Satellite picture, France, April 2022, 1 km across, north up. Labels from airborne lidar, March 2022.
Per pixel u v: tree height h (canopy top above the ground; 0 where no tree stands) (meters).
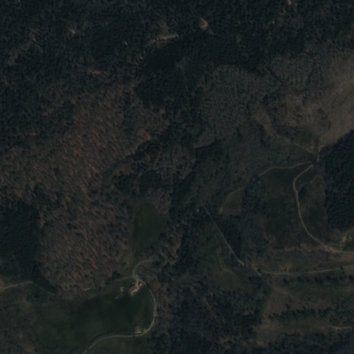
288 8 9
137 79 23
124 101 27
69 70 18
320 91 26
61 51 19
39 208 30
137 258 18
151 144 18
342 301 6
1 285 0
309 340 28
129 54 21
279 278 0
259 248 18
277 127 24
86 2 26
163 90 26
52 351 13
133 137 30
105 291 7
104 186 5
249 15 16
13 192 32
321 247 0
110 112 28
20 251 26
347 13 20
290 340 26
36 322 0
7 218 23
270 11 25
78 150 31
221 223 17
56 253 20
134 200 12
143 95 21
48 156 24
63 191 33
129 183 23
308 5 14
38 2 22
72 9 8
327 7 22
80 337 0
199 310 28
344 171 20
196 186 8
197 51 30
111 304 0
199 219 35
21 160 29
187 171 28
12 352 23
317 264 15
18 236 30
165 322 28
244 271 7
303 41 18
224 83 26
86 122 32
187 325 25
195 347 20
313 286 25
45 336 0
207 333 29
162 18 24
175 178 28
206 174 12
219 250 0
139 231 0
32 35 29
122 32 22
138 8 29
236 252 13
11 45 22
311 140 0
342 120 0
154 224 0
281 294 0
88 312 0
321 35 26
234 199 0
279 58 24
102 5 31
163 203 25
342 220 22
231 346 24
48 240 28
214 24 19
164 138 22
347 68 0
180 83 27
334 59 21
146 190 26
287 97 14
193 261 28
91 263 27
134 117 28
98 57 18
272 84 24
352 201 26
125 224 36
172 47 11
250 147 12
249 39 17
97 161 33
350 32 22
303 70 26
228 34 22
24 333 18
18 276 23
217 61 27
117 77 13
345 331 0
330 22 23
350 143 26
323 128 0
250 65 23
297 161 9
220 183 11
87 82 24
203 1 23
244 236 21
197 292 31
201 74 21
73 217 32
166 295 15
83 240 29
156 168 29
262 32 12
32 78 17
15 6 19
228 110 30
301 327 0
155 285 0
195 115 25
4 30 25
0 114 16
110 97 26
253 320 19
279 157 15
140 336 0
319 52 24
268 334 0
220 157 23
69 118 25
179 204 24
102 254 32
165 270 22
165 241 28
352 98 0
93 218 34
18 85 19
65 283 29
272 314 0
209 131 27
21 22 26
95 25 21
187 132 27
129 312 0
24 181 33
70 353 12
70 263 27
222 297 26
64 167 28
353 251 0
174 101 21
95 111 29
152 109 19
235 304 31
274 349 31
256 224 24
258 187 26
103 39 17
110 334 10
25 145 27
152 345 28
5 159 27
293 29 17
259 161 15
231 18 23
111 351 0
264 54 20
